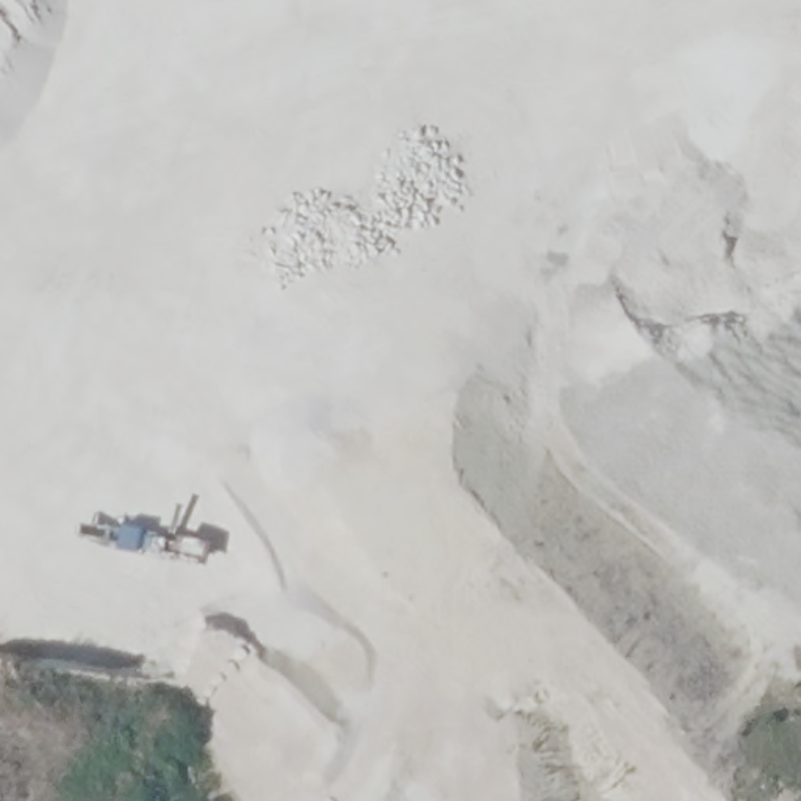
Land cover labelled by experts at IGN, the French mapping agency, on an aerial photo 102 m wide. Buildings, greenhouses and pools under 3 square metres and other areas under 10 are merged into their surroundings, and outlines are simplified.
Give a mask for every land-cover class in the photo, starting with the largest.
<instances>
[{"label":"pervious surface","instance_id":"1","mask_svg":"<svg viewBox=\"0 0 801 801\"><path fill-rule=\"evenodd\" d=\"M0 660H13L16 666L34 660H59L69 663L66 673L122 688H147L156 682L188 688L197 698V704L213 710L210 757L216 773L222 776V792L232 801H723L732 792L735 763L745 757L735 748L738 729L760 707L767 685L773 679L801 682V0H0Z\"/></svg>","mask_w":801,"mask_h":801},{"label":"brushwood","instance_id":"2","mask_svg":"<svg viewBox=\"0 0 801 801\"><path fill-rule=\"evenodd\" d=\"M34 701L50 707V717L56 723H63L66 717L81 720L84 735L91 738L69 760V773L59 776V795L66 801H232L222 792V776L216 773L210 757L213 710L197 704V698L188 688L156 682L147 688H122L66 673H53L50 679L31 682L28 688Z\"/></svg>","mask_w":801,"mask_h":801},{"label":"herbaceous vegetation","instance_id":"3","mask_svg":"<svg viewBox=\"0 0 801 801\"><path fill-rule=\"evenodd\" d=\"M69 663L59 660H34L16 666L13 660H0V801H66L59 795V776L69 773V760L91 738L84 735L81 720L66 717L63 723H56L50 717V707L34 701L28 688L31 682L50 679L53 673H66ZM735 748L745 757L735 763L732 792L723 801H801V682L773 679L767 685L760 707L738 729Z\"/></svg>","mask_w":801,"mask_h":801}]
</instances>
